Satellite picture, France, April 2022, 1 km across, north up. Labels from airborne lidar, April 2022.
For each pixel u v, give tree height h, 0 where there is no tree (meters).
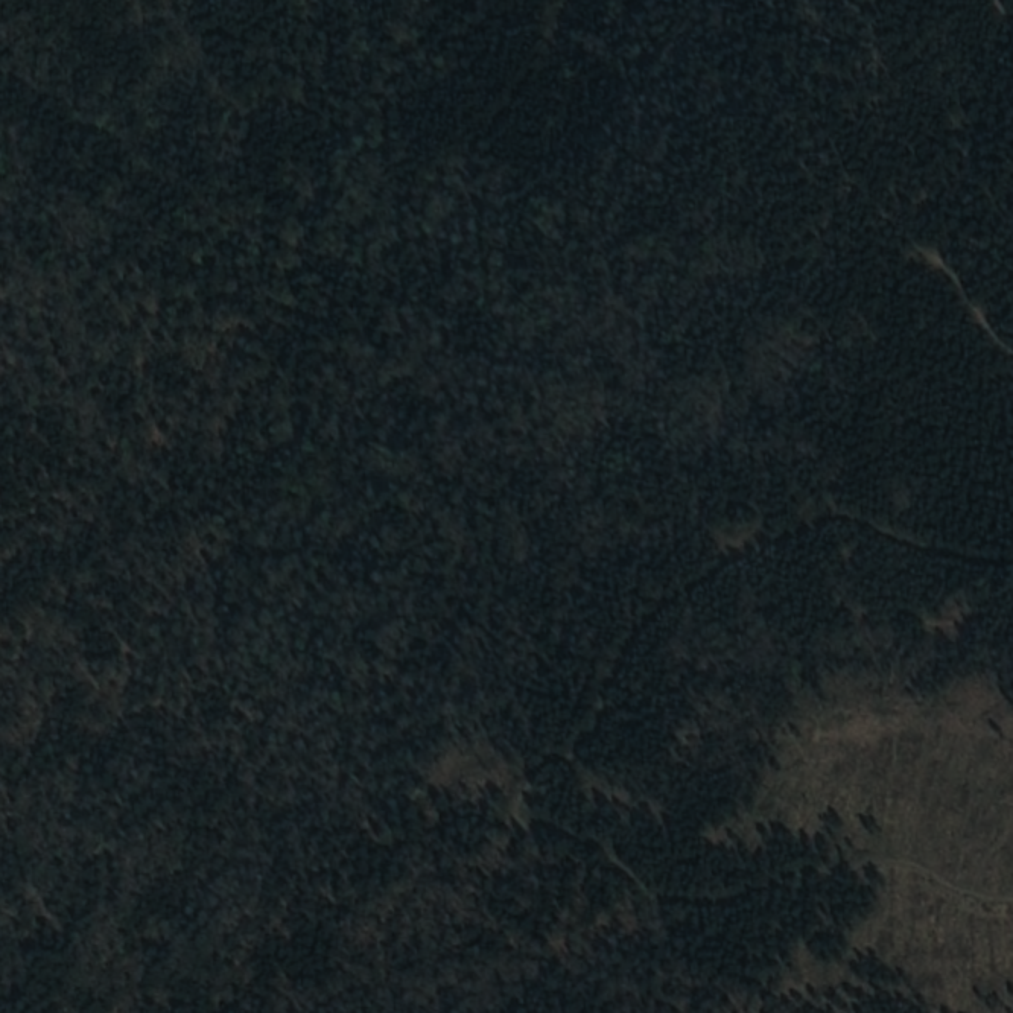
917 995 24
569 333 24
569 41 13
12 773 16
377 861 33
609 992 21
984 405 27
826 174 24
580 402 27
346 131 7
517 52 32
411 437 21
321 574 11
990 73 28
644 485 17
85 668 19
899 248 26
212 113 17
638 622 14
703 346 26
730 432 13
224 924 10
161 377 16
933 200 30
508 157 17
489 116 18
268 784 16
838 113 25
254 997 11
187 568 36
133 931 8
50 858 26
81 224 24
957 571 21
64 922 26
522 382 27
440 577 28
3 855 26
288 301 30
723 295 26
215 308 24
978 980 0
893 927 0
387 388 30
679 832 23
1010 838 0
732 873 16
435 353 17
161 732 16
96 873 30
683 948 35
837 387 25
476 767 0
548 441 35
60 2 16
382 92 32
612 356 27
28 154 25
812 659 29
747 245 25
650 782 22
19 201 27
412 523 19
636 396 23
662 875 28
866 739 0
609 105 19
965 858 0
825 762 0
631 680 21
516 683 24
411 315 39
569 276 22
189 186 27
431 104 11
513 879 11
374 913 23
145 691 15
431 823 27
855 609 24
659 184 28
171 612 34
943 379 20
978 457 28
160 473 27
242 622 37
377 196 25
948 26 25
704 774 22
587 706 18
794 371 24
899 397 25
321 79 21
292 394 6
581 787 21
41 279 31
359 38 22
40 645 18
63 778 26
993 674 24
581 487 27
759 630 22
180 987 17
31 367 30
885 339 22
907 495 28
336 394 30
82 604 14
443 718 29
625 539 27
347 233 32
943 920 0
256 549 23
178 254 29
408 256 29
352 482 13
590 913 12
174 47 17
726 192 18
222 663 11
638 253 33
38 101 24
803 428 24
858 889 21
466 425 18
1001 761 0
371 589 23
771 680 21
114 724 22
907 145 30
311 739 30
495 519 27
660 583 24
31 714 16
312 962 22
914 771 0
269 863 19
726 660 28
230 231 28
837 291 24
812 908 28
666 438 27
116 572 13
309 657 8
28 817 12
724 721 14
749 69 22
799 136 19
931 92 26
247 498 19
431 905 20
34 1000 23
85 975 20
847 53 29
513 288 27
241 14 35
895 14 28
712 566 23
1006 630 23
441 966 22
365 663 36
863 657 29
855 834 0
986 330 9
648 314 32
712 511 23
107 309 21
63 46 20
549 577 26
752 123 25
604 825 22
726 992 17
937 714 0
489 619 23
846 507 26
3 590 17
